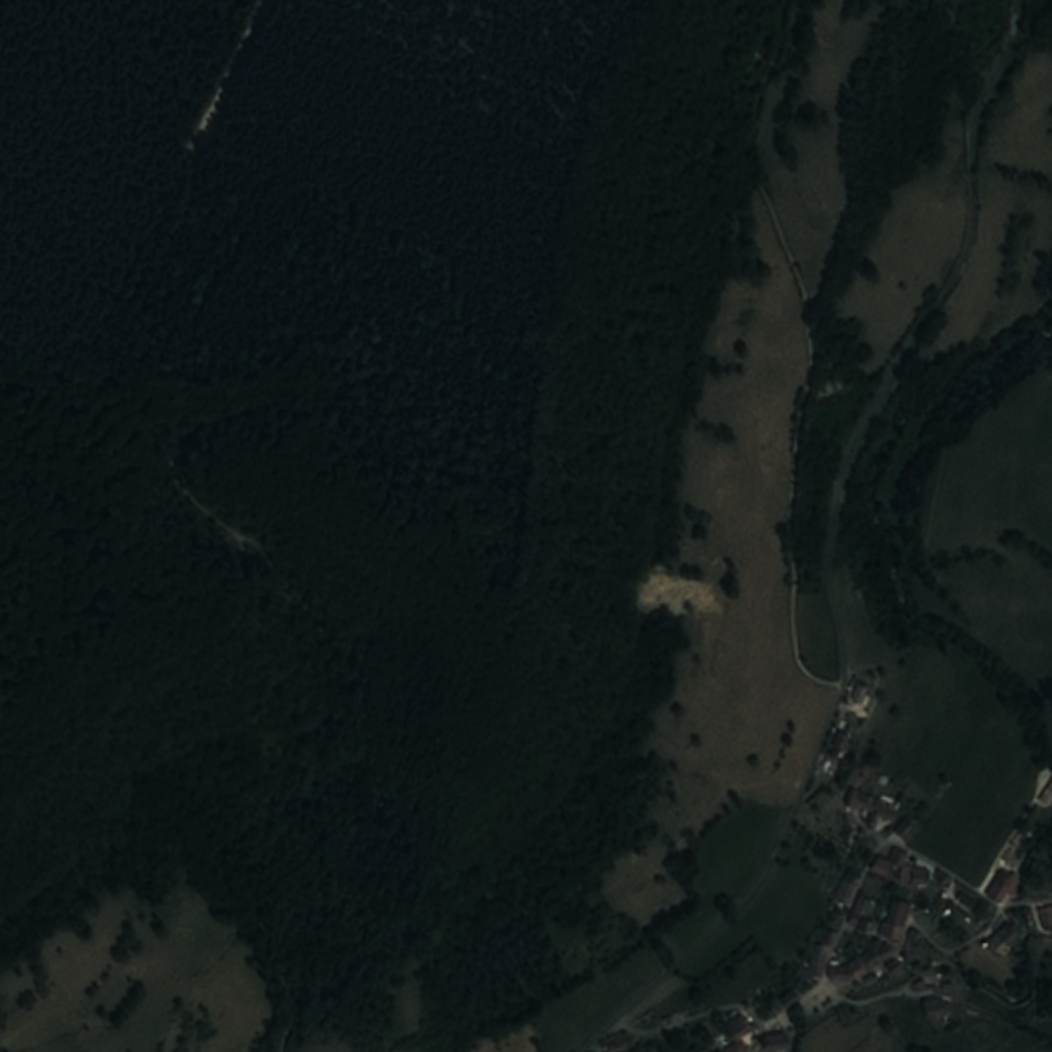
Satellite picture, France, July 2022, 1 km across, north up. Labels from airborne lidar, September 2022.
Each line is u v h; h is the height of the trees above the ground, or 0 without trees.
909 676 0
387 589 22
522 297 21
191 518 32
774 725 0
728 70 23
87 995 7
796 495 10
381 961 19
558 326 20
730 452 0
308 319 10
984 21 12
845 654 0
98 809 22
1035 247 0
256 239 16
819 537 10
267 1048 13
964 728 0
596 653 20
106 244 30
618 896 0
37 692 24
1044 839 15
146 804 24
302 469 22
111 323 22
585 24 18
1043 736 18
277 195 21
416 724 27
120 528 29
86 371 22
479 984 27
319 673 24
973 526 0
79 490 27
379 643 28
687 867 15
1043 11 21
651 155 26
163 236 33
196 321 14
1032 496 0
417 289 16
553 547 24
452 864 13
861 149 22
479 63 12
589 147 20
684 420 22
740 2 13
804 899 0
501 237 22
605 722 20
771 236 0
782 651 0
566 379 22
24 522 27
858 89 19
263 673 21
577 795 16
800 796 0
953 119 0
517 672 16
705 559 0
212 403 25
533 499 23
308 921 14
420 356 14
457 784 16
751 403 0
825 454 14
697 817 0
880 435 17
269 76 22
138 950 13
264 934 18
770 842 0
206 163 27
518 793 24
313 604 29
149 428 27
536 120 20
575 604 26
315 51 23
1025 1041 0
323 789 10
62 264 34
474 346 12
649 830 18
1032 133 0
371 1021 9
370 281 16
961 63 14
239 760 29
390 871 25
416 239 24
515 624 19
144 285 20
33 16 27
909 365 14
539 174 21
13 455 28
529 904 16
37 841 25
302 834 10
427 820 19
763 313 0
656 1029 0
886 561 8
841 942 0
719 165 24
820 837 7
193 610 22
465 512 22
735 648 0
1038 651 0
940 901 6
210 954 0
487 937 27
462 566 23
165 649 24
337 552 21
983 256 0
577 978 10
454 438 25
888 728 0
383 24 20
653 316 23
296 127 20
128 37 29
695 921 0
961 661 0
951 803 0
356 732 22
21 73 32
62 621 23
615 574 23
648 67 28
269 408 27
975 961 0
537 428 19
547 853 18
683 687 0
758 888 0
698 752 0
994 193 0
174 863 11
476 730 22
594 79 20
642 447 22
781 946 0
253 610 22
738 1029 0
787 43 14
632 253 25
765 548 0
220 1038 0
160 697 19
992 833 0
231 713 19
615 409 24
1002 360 13
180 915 0
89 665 24
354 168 23
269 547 19
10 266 32
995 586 0
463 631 24
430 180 21
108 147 32
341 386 17
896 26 12
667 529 11
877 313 0
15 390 29
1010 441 0
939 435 9
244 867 14
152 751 32
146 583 24
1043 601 0
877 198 22
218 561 31
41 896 28
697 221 35
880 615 7
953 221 0
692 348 24
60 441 26
